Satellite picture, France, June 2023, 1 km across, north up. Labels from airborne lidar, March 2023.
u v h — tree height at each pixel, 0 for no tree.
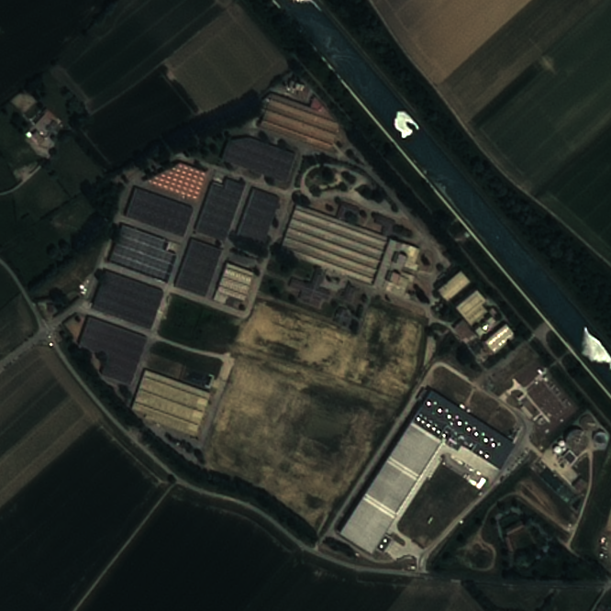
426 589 0
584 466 0
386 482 0
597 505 0
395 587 0
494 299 9
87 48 0
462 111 0
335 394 0
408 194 30
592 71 0
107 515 0
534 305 0
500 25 0
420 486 0
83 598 0
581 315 0
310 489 0
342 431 0
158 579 0
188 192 0
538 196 0
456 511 0
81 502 0
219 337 0
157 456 0
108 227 26
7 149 0
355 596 0
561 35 0
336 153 0
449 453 0
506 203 17
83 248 25
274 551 0
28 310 0
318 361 0
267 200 0
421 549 0
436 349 0
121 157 0
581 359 0
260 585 0
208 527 0
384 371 0
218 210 0
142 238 0
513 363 0
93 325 0
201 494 0
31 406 0
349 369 0
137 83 0
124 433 0
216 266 0
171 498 0
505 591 0
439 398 0
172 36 0
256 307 0
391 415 0
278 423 0
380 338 0
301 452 0
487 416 0
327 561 0
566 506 0
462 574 0
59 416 0
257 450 0
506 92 0
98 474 0
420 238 0
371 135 7
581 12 0
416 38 0
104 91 0
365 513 0
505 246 0
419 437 0
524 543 0
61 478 0
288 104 0
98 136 0
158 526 0
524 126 0
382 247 0
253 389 0
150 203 0
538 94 0
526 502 0
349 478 0
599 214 0
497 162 0
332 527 0
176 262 0
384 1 0
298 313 0
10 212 0
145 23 0
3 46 0
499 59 0
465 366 0
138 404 0
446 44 0
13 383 0
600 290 10
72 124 10
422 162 0
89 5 0
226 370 0
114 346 0
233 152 0
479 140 0
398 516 0
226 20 0
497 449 0
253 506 0
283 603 0
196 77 0
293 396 0
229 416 0
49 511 0
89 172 0
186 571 0
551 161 0
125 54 0
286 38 9
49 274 13
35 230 0
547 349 0
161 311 0
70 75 0
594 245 0
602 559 0
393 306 0
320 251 0
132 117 0
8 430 0
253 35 0
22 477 0
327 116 0
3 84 0
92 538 0
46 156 0
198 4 0
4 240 0
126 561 0
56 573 0
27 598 0
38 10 0
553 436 0
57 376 0
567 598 0
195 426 0
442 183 0
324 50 0
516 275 0
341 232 0
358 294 0
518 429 0
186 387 0
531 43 0
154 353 0
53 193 0
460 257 23
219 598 0
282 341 0
